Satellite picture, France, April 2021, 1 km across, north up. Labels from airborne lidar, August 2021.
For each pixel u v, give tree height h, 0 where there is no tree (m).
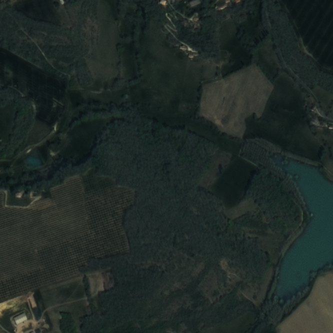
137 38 23
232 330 0
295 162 0
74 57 11
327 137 0
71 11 18
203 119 16
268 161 33
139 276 18
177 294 12
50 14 0
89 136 0
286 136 7
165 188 21
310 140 0
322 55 0
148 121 21
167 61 0
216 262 12
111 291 16
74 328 15
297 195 28
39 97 0
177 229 14
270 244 0
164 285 15
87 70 18
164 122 0
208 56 15
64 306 0
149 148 28
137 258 19
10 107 0
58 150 0
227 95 0
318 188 0
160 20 9
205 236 21
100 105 19
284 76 0
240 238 19
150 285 18
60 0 0
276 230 18
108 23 0
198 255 11
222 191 0
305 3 0
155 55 0
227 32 0
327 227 0
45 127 0
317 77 17
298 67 14
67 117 0
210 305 11
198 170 20
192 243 14
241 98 0
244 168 0
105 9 0
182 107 0
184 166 24
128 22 9
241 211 0
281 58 19
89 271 15
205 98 0
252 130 0
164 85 0
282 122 0
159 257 18
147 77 0
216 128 14
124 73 0
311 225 0
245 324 0
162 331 11
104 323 15
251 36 0
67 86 12
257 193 20
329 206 0
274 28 16
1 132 0
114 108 23
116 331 6
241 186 0
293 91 0
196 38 15
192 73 0
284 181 31
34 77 0
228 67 0
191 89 0
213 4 12
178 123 0
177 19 12
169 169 21
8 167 9
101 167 13
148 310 12
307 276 0
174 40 24
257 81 0
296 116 0
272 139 0
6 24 18
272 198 22
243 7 15
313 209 0
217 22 19
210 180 0
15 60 0
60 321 8
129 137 25
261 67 12
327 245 0
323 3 0
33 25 17
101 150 14
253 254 25
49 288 0
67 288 0
